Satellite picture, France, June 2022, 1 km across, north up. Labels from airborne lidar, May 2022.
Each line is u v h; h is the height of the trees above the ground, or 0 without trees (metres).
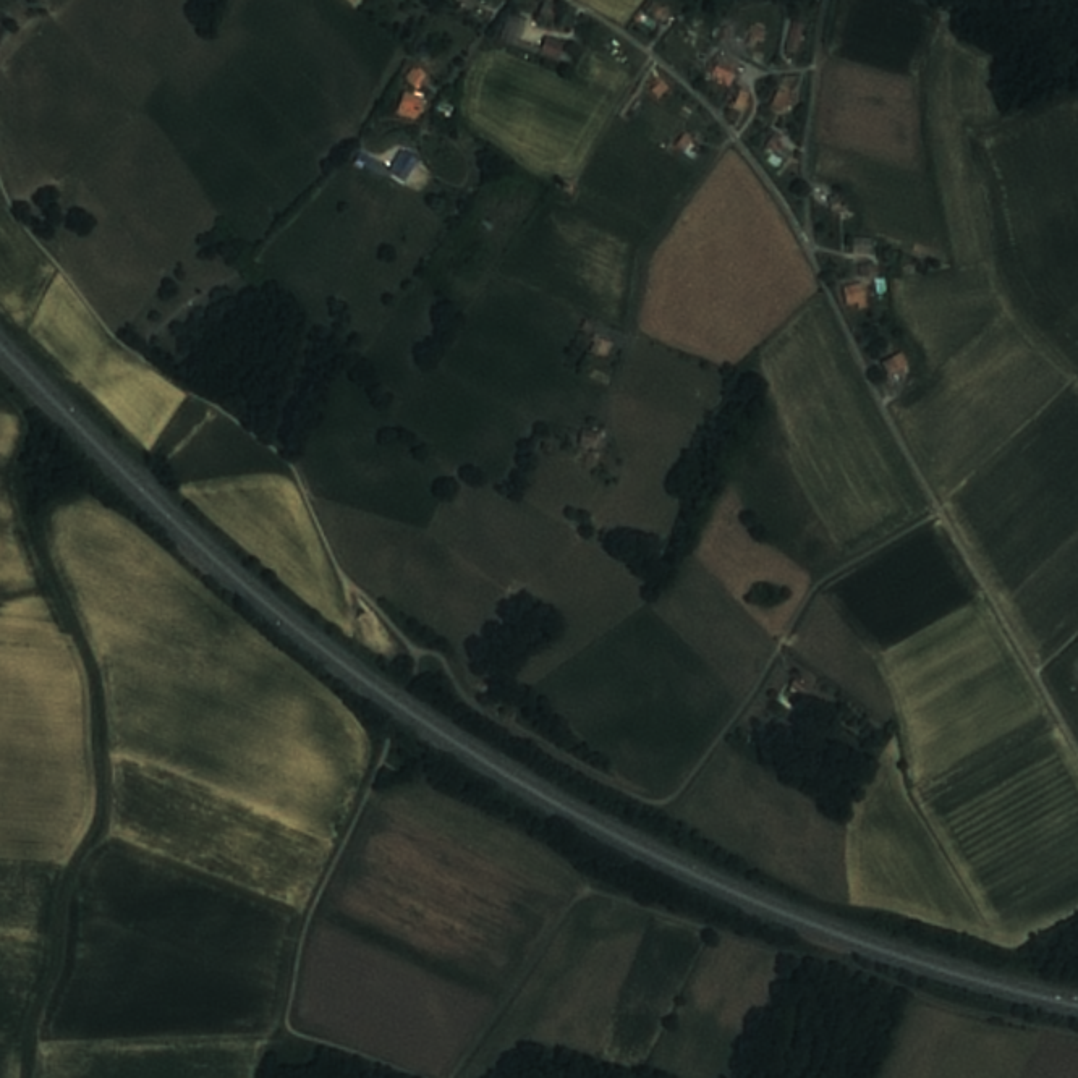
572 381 0
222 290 10
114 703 0
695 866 0
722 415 8
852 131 0
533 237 0
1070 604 0
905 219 0
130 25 0
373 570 0
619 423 0
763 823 0
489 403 0
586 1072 20
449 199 15
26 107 0
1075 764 0
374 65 0
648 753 0
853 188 0
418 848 0
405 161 0
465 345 0
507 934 0
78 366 0
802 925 0
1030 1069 0
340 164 15
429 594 0
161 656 0
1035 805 0
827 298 0
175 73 0
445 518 0
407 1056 0
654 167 0
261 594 0
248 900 0
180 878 0
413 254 0
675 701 0
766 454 0
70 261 0
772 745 23
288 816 0
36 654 0
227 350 13
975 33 17
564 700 0
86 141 0
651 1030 0
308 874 0
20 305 0
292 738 0
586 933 0
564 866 0
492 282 0
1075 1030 8
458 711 15
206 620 0
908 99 0
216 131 0
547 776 15
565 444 6
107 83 0
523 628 25
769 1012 15
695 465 12
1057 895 0
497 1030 0
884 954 0
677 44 0
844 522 0
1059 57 21
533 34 0
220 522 0
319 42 0
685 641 0
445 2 8
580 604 0
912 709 0
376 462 0
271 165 0
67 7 0
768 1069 19
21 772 0
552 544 0
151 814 0
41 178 0
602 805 10
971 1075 0
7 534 0
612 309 0
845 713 7
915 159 0
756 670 0
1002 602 0
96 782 0
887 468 0
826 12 0
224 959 0
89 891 0
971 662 0
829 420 0
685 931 0
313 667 8
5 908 0
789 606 0
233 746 0
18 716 0
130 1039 0
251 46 0
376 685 0
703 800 0
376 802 0
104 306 0
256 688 0
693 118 0
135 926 0
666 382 0
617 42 0
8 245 0
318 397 16
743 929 12
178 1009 0
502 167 10
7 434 0
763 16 0
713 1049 0
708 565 0
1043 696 0
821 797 18
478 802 13
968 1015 0
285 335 24
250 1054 0
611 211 0
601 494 0
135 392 0
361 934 0
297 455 21
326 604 0
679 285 0
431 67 0
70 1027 0
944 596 0
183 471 0
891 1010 14
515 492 16
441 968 0
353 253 0
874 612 0
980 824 0
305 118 0
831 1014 14
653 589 12
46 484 23
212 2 23
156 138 0
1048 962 11
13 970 0
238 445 0
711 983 0
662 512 0
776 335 0
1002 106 13
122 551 0
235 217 0
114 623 0
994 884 0
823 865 0
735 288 0
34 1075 0
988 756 0
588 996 0
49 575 0
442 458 0
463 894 0
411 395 0
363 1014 0
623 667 0
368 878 0
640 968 0
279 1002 0
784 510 0
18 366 0
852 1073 14
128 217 0
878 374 13
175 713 0
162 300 8
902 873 0
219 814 0
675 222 0
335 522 0
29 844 0
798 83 0
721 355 0
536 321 0
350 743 0
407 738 6
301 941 0
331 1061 12
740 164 0
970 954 6
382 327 0
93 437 0
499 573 0
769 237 0
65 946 0
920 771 0
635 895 12
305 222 0
